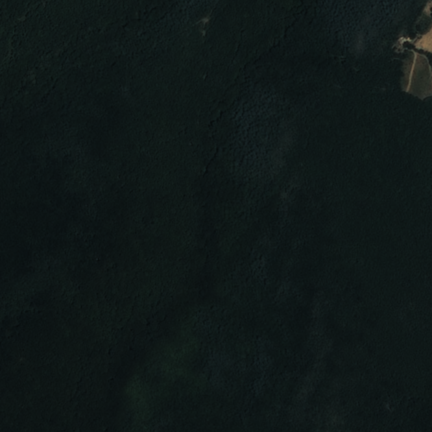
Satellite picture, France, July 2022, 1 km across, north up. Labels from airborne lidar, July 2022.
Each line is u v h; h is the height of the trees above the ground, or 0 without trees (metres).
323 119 15
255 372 7
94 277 28
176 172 21
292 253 8
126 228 18
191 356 14
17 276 13
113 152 16
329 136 12
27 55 21
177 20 11
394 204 14
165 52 11
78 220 12
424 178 9
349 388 7
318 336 6
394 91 10
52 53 25
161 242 21
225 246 19
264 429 7
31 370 27
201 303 19
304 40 19
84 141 10
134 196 18
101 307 20
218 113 24
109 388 29
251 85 6
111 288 28
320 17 11
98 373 31
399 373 13
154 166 19
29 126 6
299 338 7
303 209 8
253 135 12
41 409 21
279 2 7
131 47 16
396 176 15
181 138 20
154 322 32
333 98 10
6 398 26
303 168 7
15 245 16
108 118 13
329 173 10
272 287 6
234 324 9
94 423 24
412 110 11
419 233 9
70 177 14
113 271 27
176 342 17
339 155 10
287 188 8
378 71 9
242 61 16
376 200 13
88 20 22
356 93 11
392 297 9
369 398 8
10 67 17
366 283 9
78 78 11
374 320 9
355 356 6
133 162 15
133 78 12
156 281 18
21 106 20
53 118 12
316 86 8
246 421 7
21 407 23
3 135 21
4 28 19
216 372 17
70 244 11
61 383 24
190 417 17
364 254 12
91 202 14
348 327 6
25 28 19
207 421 13
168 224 22
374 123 11
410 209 14
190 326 8
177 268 22
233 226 15
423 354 14
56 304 24
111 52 17
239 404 7
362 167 12
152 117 20
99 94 13
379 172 15
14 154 20
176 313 26
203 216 27
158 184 21
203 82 17
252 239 7
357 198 13
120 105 12
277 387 8
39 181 16
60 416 21
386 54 6
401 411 16
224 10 9
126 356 29
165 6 23
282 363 7
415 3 9
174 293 22
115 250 23
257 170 8
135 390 8
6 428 25
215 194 20
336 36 9
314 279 6
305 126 10
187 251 19
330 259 7
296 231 7
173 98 19
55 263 8
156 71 13
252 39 23
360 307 8
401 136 13
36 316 29
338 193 10
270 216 9
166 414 12
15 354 31
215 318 12
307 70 12
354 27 8
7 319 22
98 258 22
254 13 18
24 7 19
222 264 18
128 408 12
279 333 7
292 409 8
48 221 14
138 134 16
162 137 21
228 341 11
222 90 19
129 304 18
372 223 14
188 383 14
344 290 6
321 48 19
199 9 9
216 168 16
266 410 8
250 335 7
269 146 8
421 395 12
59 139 13
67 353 22
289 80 12
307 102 11
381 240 15
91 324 18
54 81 17
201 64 15
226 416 9
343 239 10
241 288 8
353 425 12
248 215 12
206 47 15
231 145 11
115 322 17
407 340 13
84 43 23
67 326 25
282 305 7
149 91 15
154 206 23
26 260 15
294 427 8
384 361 14
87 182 11
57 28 14
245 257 10
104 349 22
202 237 23
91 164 11
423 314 10
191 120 18
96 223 17
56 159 12
